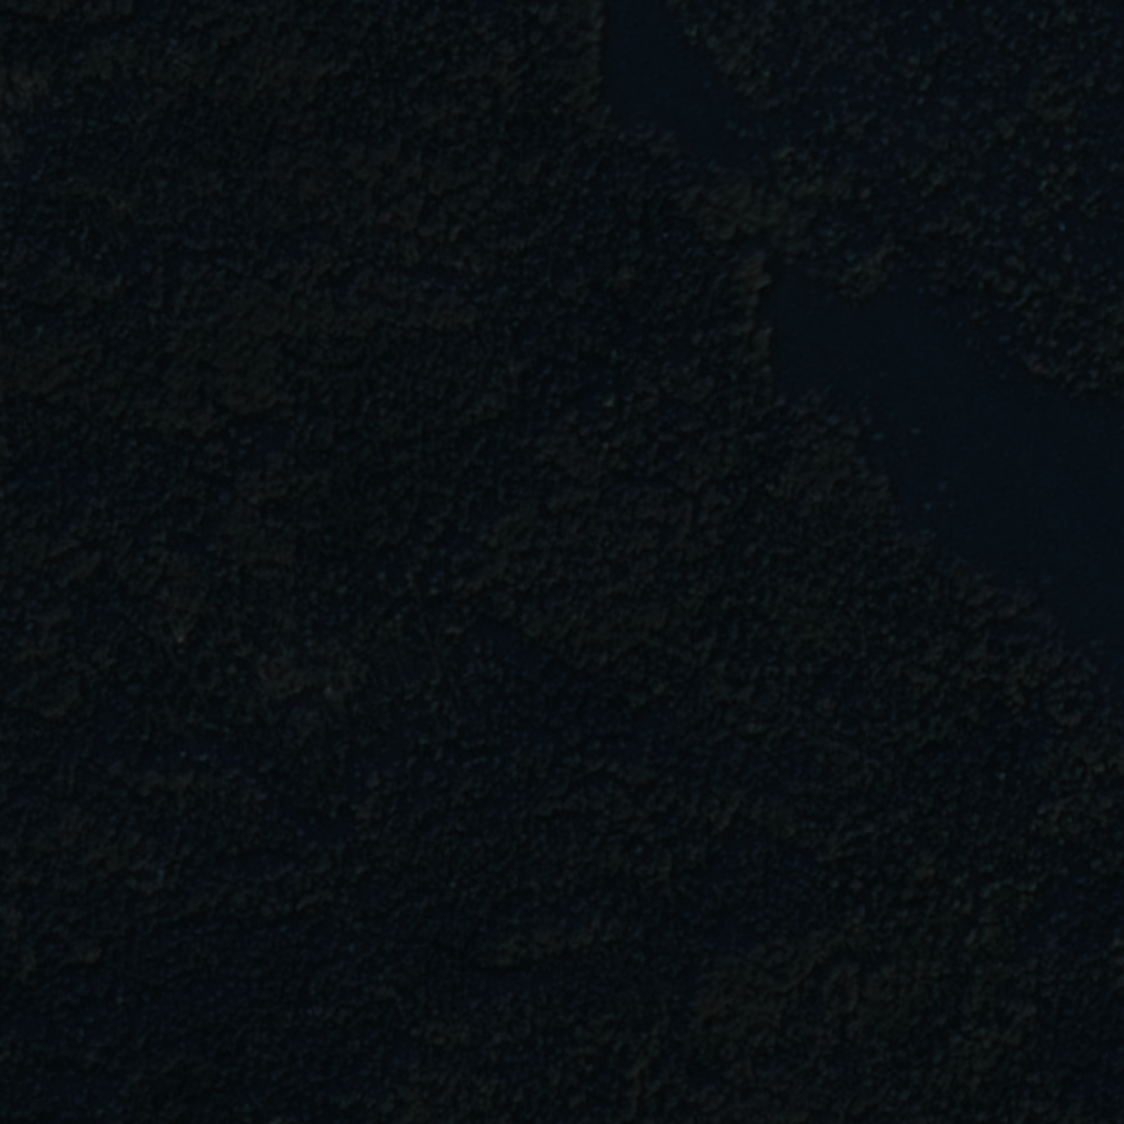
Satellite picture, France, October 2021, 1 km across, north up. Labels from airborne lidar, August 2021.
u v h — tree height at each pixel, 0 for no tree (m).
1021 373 15
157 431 17
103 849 25
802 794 25
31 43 10
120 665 15
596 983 20
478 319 14
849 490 9
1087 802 19
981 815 22
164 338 19
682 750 25
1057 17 21
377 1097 23
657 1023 18
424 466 12
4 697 24
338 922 14
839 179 21
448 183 18
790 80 13
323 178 18
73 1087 9
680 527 23
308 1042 25
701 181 15
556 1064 23
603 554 15
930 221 21
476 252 15
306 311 19
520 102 9
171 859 23
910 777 19
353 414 8
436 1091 19
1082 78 20
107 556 22
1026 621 20
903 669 23
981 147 19
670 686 17
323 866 22
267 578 10
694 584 20
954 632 19
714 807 24
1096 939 7
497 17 23
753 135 23
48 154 21
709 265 20
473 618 21
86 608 13
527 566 18
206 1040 28
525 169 19
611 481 16
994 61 17
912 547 10
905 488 23
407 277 16
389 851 18
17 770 12
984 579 19
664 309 10
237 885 19
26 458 13
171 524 15
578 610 25
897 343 19
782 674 26
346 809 15
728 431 24
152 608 22
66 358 23
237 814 17
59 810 22
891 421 23
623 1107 19
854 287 21
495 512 22
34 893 21
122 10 22
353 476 13
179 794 18
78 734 14
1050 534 18
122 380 18
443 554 18
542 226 14
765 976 25
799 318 26
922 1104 21
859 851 20
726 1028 21
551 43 20
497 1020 23
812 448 16
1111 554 25
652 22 23
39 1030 27
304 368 15
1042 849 26
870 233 21
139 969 28
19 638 24
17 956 28
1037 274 25
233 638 6
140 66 18
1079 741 24
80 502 26
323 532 10
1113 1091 29
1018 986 18
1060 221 6
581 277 21
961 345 22
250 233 24
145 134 23
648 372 20
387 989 22
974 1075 14
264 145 12
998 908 8
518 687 31
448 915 20
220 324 21
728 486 14
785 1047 17
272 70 23
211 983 15
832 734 23
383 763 8
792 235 22
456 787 23
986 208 20
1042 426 26
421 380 11
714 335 19
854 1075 14
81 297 27
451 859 15
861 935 10
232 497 20
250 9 21
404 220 19
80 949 28
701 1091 24
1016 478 25
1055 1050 19
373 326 8
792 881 25
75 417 8
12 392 21
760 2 17
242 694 9
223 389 22
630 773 26
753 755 22
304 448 14
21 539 24
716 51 23
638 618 24
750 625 20
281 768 16
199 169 16
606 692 29
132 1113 7
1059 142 18
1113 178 18
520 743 23
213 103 18
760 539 17
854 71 19
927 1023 15
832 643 20
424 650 9
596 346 30
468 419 15
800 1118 19
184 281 20
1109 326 20
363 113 21
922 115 16
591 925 23
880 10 9
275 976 26
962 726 18
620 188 24
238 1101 12
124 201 12
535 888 21
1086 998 26
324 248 22
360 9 17
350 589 18
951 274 26
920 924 16
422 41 15
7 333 23
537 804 24
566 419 24
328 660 19
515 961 25
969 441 24
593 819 19
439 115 23
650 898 12
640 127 13
